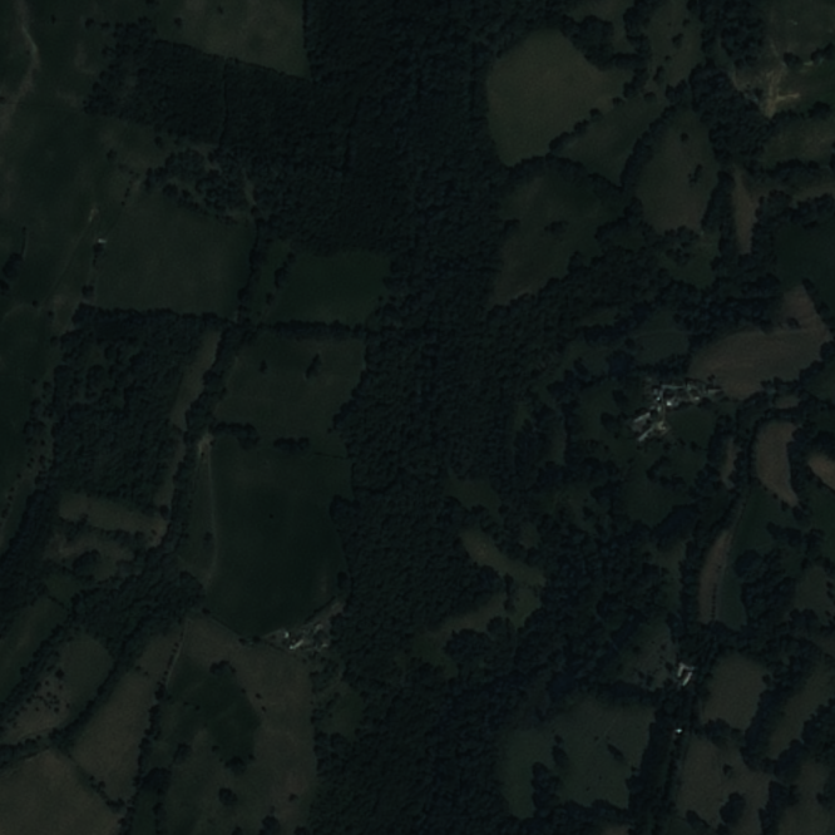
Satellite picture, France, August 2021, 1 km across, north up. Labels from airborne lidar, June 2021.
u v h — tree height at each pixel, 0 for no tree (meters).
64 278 0
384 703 17
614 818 15
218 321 17
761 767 15
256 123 12
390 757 15
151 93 14
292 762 0
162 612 17
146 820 0
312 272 0
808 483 13
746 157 28
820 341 0
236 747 0
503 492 19
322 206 22
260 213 12
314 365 8
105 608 18
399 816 16
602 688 18
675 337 0
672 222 0
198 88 8
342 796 8
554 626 16
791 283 0
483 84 12
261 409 0
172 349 20
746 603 10
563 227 11
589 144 0
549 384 0
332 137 15
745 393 0
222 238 0
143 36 9
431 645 0
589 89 0
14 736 0
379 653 24
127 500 18
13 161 0
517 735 0
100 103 9
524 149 0
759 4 14
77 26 0
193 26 0
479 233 19
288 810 0
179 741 0
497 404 23
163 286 0
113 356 16
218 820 0
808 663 23
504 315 15
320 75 19
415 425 24
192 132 11
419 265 28
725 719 0
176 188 12
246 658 0
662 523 0
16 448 0
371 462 18
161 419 16
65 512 0
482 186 23
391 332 23
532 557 16
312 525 0
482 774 23
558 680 0
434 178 26
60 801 0
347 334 24
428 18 19
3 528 0
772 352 0
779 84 0
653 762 19
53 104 0
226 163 22
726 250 20
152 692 0
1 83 0
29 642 0
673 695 8
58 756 0
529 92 0
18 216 0
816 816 0
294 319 0
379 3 25
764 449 0
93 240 0
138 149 0
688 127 0
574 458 20
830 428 0
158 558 19
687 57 0
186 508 16
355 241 21
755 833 0
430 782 20
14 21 0
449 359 19
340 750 17
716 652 9
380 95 9
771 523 0
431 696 25
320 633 7
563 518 11
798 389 13
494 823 23
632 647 14
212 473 0
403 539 22
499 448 29
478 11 22
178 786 0
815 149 0
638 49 10
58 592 0
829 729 11
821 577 0
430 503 20
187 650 0
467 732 16
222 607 0
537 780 10
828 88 0
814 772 0
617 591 25
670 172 0
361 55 16
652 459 0
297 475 0
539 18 19
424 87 24
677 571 0
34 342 0
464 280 23
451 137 22
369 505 21
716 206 17
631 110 0
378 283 0
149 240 0
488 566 0
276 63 0
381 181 22
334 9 13
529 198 0
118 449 17
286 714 0
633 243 0
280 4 0
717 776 0
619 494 20
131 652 20
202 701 0
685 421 0
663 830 9
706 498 13
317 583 0
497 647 14
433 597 21
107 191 0
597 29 22
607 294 19
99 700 7
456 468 16
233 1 0
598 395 0
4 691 0
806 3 0
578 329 12
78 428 20
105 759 0
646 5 19
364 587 20
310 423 0
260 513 0
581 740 0
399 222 16
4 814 0
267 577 0
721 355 0
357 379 0
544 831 22
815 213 19
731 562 0
